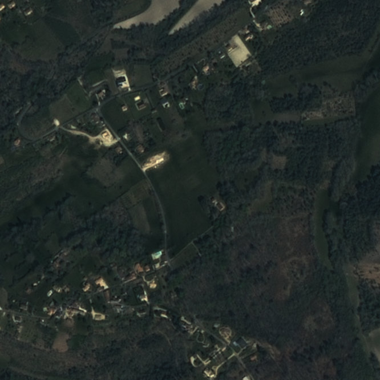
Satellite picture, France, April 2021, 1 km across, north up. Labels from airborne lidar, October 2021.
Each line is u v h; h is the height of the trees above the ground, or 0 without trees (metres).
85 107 0
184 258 0
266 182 20
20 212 0
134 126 8
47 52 0
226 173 20
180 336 15
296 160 8
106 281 0
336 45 7
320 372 8
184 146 0
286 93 0
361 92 13
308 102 13
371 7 12
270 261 10
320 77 0
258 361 14
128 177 0
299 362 21
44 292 0
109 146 0
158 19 0
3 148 7
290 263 0
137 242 12
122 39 0
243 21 0
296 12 0
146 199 0
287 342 20
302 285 10
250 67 7
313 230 16
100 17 7
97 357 9
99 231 18
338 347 12
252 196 26
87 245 22
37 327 10
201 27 11
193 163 0
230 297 22
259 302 16
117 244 24
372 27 11
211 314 21
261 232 10
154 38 8
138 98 0
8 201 9
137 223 0
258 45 11
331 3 12
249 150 18
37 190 14
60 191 0
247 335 9
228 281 21
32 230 12
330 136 13
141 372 19
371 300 12
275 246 6
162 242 10
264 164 0
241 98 26
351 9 13
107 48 0
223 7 8
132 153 10
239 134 25
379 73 15
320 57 7
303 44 11
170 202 0
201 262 20
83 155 0
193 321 9
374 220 13
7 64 12
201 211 0
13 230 24
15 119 9
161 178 0
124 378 9
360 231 18
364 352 19
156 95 0
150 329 21
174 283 22
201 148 0
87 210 0
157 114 0
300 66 13
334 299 18
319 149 21
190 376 18
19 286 0
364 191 18
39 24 0
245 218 20
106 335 12
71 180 0
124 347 16
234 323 14
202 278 27
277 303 11
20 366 7
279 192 12
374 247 20
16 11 10
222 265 27
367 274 0
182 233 0
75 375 17
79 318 7
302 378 19
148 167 0
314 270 13
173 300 11
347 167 39
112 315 0
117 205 13
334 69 0
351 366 17
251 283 20
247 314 21
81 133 0
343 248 29
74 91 0
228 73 7
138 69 0
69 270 10
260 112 0
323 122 0
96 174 0
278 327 19
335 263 19
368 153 0
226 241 20
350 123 20
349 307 22
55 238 0
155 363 15
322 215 0
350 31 14
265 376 5
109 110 0
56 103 0
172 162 0
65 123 0
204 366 14
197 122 0
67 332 0
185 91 10
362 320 13
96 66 0
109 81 0
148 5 0
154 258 0
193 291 26
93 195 0
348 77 0
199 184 0
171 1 0
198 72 9
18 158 0
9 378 15
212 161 14
